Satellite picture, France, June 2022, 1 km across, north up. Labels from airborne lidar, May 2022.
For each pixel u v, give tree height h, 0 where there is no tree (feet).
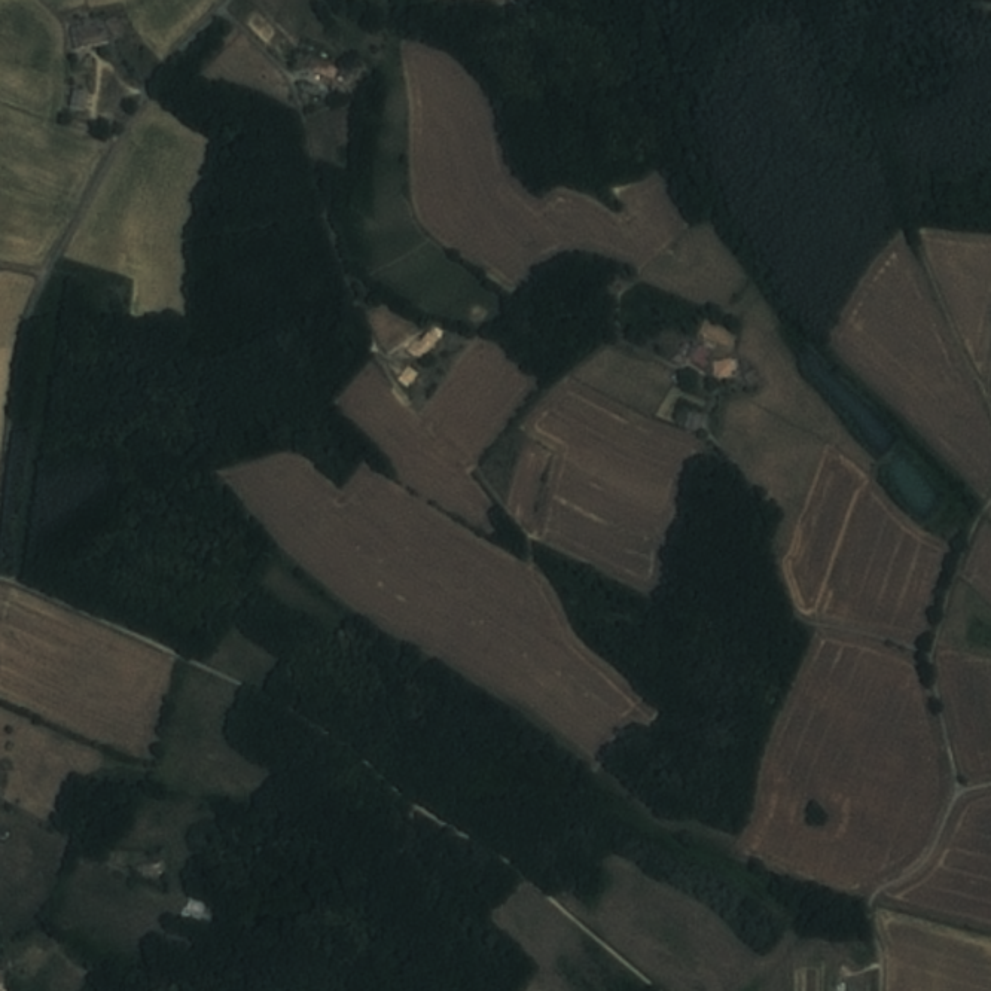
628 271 69
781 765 0
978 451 0
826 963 0
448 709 86
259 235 40
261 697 51
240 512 65
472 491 0
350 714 55
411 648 54
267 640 65
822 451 0
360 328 56
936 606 26
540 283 68
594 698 0
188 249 51
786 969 0
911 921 0
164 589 72
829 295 60
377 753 51
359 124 50
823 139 50
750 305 0
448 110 0
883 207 45
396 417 0
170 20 0
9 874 0
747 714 58
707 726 59
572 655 0
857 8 70
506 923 0
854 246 59
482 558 0
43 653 0
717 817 56
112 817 55
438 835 28
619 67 52
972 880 0
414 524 0
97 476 58
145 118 0
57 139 0
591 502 0
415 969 67
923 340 0
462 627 0
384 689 56
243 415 61
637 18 62
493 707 85
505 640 0
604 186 39
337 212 49
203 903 51
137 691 0
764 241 71
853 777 0
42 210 0
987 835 0
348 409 0
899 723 0
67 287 46
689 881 60
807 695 0
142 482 62
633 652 43
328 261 43
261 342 61
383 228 0
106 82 0
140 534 77
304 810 69
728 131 74
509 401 0
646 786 49
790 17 78
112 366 86
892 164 57
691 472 73
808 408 0
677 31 88
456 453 0
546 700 0
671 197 55
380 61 0
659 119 77
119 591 56
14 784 0
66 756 0
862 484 0
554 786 42
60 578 54
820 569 0
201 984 69
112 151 0
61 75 0
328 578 0
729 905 57
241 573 55
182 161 0
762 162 63
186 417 77
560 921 0
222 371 82
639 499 0
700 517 58
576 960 0
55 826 47
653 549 0
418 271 0
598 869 40
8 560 40
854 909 63
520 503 0
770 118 62
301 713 52
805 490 0
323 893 33
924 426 0
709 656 56
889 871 0
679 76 47
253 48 0
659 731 38
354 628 69
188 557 56
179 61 34
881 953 0
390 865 64
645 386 0
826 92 62
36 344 67
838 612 0
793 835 0
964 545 50
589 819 55
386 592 0
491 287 50
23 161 0
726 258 0
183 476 74
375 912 83
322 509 0
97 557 65
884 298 0
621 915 0
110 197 0
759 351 0
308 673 64
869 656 0
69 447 63
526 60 67
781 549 0
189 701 0
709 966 0
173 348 85
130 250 0
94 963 21
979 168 59
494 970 63
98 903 0
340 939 88
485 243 0
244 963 58
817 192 61
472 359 0
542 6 65
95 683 0
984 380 0
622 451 0
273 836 42
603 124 45
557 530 0
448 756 71
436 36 50
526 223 0
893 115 62
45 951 0
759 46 72
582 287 72
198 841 20
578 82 56
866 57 67
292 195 58
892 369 0
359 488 0
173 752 0
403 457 0
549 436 0
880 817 0
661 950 0
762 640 60
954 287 0
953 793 0
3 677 0
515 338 59
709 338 0
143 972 56
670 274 0
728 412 0
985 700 0
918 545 0
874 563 0
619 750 53
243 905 74
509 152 51
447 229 0
